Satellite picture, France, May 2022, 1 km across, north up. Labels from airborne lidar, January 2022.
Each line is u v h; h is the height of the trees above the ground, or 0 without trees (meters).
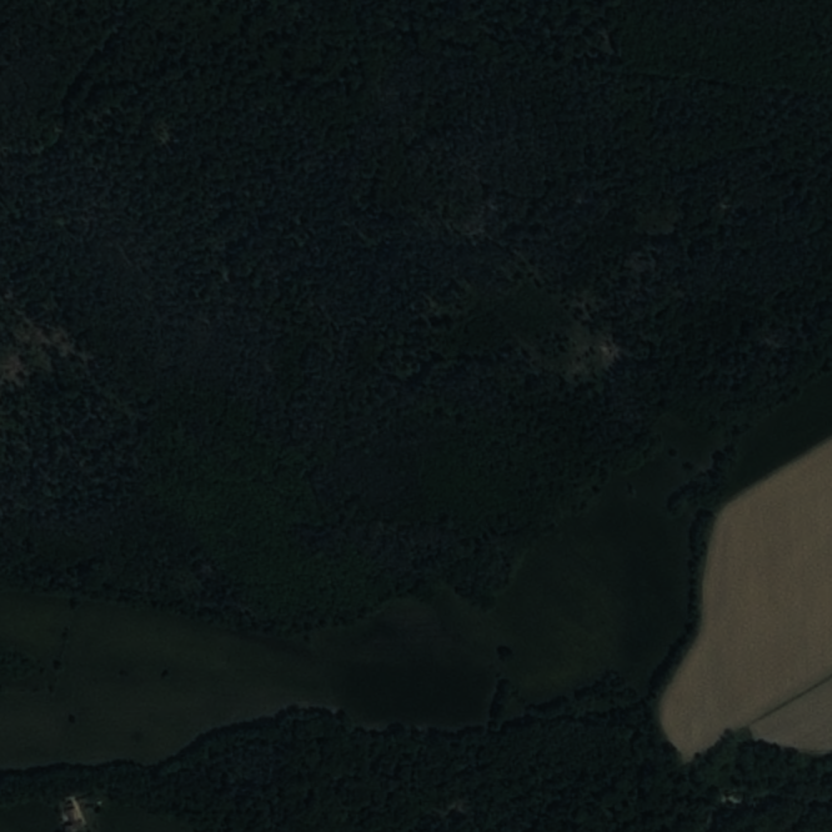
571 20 31
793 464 0
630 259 22
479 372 25
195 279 15
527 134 21
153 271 18
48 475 30
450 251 27
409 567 20
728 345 20
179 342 21
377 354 15
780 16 17
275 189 33
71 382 11
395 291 27
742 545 0
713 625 0
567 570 0
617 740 20
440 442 14
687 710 0
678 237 13
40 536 16
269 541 17
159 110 26
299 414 19
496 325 6
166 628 0
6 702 0
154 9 25
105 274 23
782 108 28
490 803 18
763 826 15
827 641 0
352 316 31
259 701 0
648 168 23
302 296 27
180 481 14
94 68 24
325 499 23
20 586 19
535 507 14
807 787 21
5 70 21
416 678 0
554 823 22
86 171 27
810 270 22
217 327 19
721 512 0
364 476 17
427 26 29
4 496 22
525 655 0
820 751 0
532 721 19
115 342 22
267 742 23
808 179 13
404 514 13
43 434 9
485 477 12
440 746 22
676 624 0
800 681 0
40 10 18
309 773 31
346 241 29
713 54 19
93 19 14
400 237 29
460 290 29
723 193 19
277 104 24
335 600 16
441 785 21
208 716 0
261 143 26
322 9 26
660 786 17
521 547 18
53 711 0
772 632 0
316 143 26
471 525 14
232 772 22
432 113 17
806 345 28
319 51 24
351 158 26
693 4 17
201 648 0
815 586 0
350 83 24
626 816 22
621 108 20
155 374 20
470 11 29
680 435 0
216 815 12
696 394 24
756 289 24
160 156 26
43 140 20
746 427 15
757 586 0
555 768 22
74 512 22
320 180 29
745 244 25
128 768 15
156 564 19
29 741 0
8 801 20
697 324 13
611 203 15
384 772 23
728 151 22
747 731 0
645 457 13
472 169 13
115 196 28
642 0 15
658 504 0
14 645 0
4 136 23
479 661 0
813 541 0
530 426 17
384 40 25
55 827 0
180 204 27
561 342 22
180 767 17
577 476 15
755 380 28
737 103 23
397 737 21
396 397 23
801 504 0
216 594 20
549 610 0
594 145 21
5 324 27
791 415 0
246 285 15
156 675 0
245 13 19
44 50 20
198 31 9
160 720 0
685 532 0
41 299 30
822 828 10
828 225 25
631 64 20
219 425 15
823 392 0
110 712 0
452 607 0
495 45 26
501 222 20
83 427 29
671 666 16
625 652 0
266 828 27
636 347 16
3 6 21
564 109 19
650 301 19
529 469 16
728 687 0
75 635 0
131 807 10
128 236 26
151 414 18
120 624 0
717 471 13
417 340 31
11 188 28
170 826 0
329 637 0
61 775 16
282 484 12
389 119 21
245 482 14
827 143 23
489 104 19
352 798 29
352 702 0
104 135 9
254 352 26
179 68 12
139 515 17
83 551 14
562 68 24
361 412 20
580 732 23
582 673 0
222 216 31
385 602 10
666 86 22
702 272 28
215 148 27
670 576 0
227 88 25
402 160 13
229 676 0
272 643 0
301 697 0
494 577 26
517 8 30
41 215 28
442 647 0
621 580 0
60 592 20
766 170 20
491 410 20
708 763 19
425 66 24
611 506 0
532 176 21
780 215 26
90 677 0
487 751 17
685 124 25
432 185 12
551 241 19
